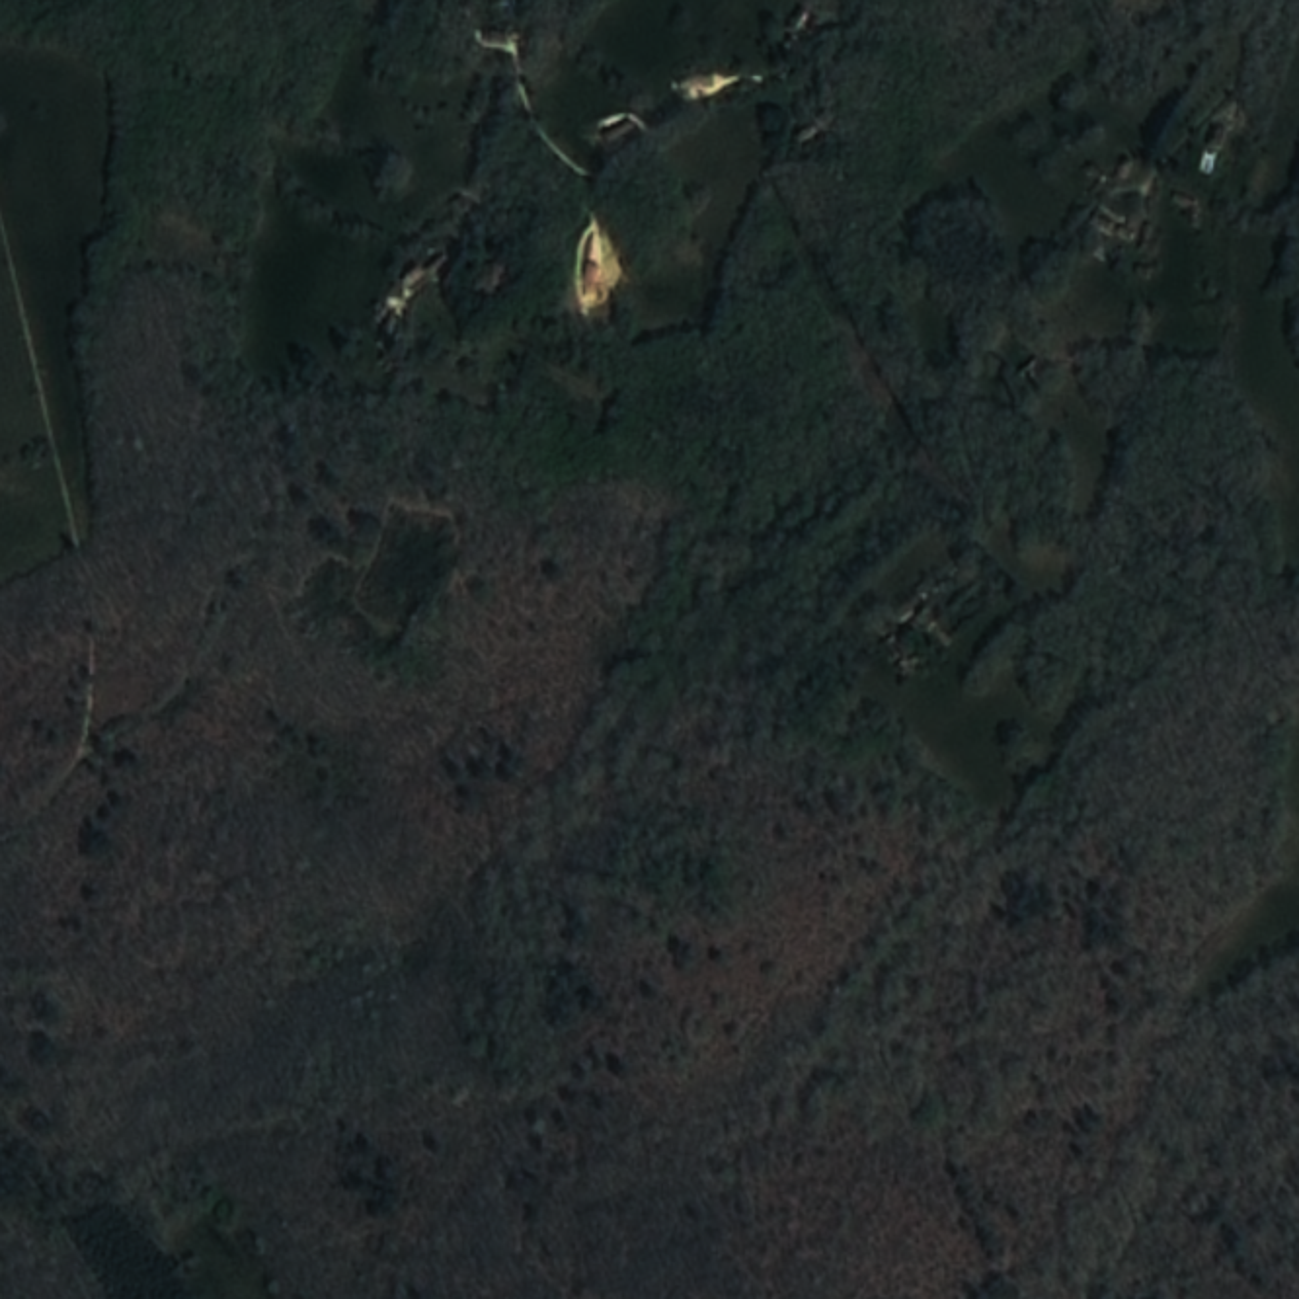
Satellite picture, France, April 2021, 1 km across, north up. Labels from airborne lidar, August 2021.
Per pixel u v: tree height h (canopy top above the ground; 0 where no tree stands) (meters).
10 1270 19
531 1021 14
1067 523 21
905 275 29
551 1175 9
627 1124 12
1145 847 18
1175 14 17
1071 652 29
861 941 10
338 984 22
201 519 14
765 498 30
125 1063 17
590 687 10
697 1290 13
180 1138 17
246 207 21
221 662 12
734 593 10
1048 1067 7
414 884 12
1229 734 23
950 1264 9
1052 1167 9
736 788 10
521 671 6
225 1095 23
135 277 18
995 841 12
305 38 22
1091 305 0
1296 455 0
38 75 0
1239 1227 11
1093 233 18
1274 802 19
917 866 10
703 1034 15
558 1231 8
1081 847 17
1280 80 20
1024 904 26
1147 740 20
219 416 17
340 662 14
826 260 17
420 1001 12
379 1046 19
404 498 13
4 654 10
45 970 10
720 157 0
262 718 8
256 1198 10
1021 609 9
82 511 0
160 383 18
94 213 0
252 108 18
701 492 19
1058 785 16
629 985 7
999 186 0
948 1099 14
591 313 0
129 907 10
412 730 9
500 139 21
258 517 11
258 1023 19
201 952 16
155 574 12
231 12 15
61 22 17
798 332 20
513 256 22
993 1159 7
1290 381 0
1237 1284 6
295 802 10
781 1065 12
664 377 20
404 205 0
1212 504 22
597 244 0
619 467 21
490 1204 18
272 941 16
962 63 16
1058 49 18
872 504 22
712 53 11
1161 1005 20
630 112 16
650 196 24
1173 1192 15
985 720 0
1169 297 0
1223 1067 22
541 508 12
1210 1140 21
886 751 19
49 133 0
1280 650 18
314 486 10
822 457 30
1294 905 0
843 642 15
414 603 6
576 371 21
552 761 7
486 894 24
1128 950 19
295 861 14
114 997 13
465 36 23
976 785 0
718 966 13
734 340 22
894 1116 8
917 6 13
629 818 9
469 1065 11
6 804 7
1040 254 12
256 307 0
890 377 26
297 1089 17
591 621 7
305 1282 14
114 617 7
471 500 14
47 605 12
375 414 12
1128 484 27
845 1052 13
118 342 17
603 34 0
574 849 9
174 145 22
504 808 7
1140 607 27
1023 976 10
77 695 13
